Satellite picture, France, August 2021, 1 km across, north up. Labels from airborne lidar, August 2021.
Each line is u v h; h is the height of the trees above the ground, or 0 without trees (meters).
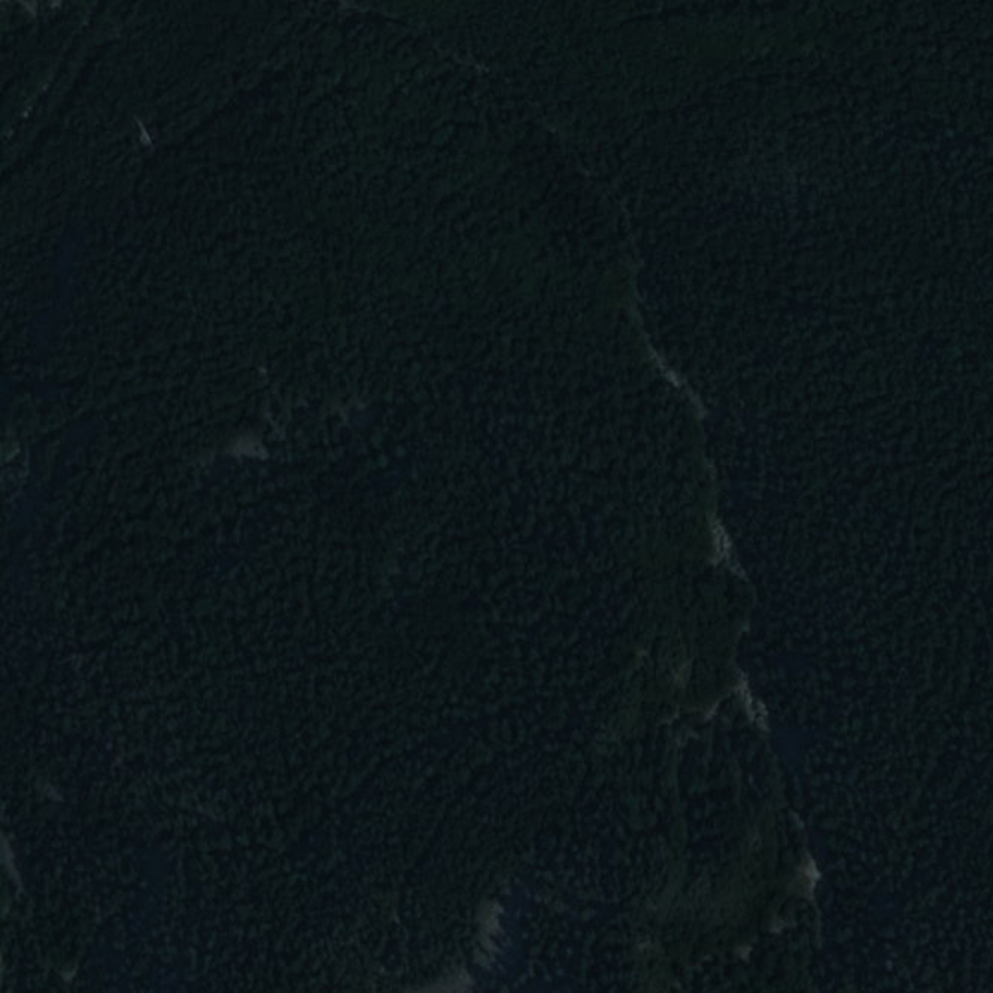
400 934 16
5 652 26
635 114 17
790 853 22
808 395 22
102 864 9
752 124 23
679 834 23
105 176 24
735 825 33
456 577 19
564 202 21
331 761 25
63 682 20
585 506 18
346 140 27
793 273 21
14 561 10
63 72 10
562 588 16
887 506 27
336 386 27
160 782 28
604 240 22
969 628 24
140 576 24
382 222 22
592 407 25
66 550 21
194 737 21
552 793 26
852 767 28
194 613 18
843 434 28
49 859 21
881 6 8
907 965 20
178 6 14
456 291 24
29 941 25
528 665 21
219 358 26
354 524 17
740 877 19
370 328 27
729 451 14
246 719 22
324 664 21
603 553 24
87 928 11
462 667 17
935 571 27
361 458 24
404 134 22
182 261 23
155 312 19
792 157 13
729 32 21
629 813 14
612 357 24
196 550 24
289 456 19
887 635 28
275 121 17
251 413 13
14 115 20
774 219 15
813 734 26
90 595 25
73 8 18
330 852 22
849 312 21
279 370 17
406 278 27
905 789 22
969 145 7
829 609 22
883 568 26
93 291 24
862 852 21
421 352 28
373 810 16
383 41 25
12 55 26
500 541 21
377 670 20
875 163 17
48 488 16
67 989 17
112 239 26
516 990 27
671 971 20
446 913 12
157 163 18
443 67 17
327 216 21
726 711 10
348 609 20
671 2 24
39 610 25
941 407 19
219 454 10
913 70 26
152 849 11
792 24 28
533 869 17
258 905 17
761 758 18
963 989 30
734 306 26
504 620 16
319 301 22
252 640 19
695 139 29
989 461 20
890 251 29
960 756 13
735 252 23
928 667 15
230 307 22
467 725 13
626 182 17
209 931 24
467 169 21
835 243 28
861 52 31
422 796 13
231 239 17
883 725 23
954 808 20
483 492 23
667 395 29
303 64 19
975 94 21
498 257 25
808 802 23
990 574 33
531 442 34
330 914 22
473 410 21
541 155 23
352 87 23
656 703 19
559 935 28
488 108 22
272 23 22
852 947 17
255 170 25
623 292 20
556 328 28
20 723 12
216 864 8
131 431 25
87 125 15
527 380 19
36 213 19
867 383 24
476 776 8
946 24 27
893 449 33
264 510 25
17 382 19
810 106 30
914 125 7
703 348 28
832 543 35
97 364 24
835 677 19
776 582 20
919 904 25
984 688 17
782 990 18
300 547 21
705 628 22
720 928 15
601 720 13
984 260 29
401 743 21
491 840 21
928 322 27
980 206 28
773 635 30
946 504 23
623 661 16
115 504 25
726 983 19
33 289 18
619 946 23
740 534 19
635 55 23
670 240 28
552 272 30
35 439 10
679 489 23
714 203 15
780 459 20
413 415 27
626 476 27
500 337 26
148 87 17
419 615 21
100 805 18
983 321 30
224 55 24
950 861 24
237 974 18
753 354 24
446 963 22
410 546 14
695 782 24
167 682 21
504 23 22
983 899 23
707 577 16
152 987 21
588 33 23
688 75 19
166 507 23
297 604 17
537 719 17
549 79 20
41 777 6
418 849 20
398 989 7
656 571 15
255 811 24
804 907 10
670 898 14
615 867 34
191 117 22
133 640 28
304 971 12
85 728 26
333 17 18
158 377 21
